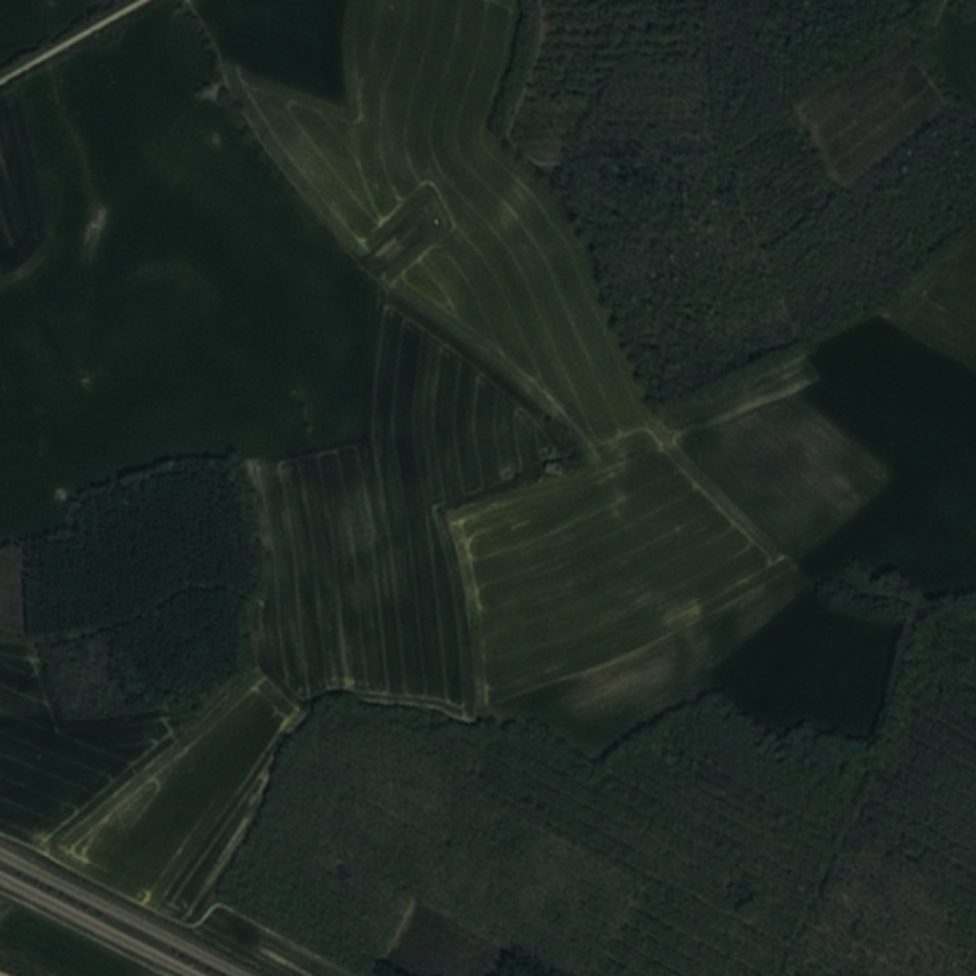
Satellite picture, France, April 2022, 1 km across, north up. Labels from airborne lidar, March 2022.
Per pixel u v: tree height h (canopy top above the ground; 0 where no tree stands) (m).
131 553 16
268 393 0
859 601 9
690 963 14
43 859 0
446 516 0
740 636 0
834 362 0
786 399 0
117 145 0
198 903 0
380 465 0
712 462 0
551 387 0
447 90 0
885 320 0
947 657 18
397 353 0
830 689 0
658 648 0
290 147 0
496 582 0
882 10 14
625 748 13
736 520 0
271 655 0
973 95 0
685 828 15
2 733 0
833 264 12
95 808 0
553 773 17
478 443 0
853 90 0
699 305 21
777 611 0
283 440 0
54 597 16
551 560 0
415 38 0
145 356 0
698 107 13
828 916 16
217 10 0
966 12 15
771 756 17
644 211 20
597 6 10
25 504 0
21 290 0
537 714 0
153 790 0
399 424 0
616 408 0
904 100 0
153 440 0
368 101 0
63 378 0
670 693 0
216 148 0
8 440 0
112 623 15
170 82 0
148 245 0
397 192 0
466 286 0
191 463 12
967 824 11
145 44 0
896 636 0
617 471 0
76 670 13
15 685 0
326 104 0
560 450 0
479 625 0
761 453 0
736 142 13
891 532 0
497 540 0
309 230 0
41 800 0
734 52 14
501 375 0
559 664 0
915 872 20
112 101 0
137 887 0
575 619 0
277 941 0
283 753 11
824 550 0
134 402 0
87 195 0
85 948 0
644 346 14
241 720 0
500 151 0
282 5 0
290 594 0
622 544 0
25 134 0
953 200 13
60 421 0
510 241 0
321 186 0
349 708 18
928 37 22
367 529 0
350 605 0
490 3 0
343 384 0
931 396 0
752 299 17
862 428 0
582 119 0
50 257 0
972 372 0
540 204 0
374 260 0
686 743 15
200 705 15
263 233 0
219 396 0
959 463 0
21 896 0
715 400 15
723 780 15
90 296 0
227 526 16
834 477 0
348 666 0
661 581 0
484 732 13
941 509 0
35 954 0
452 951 0
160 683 16
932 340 0
